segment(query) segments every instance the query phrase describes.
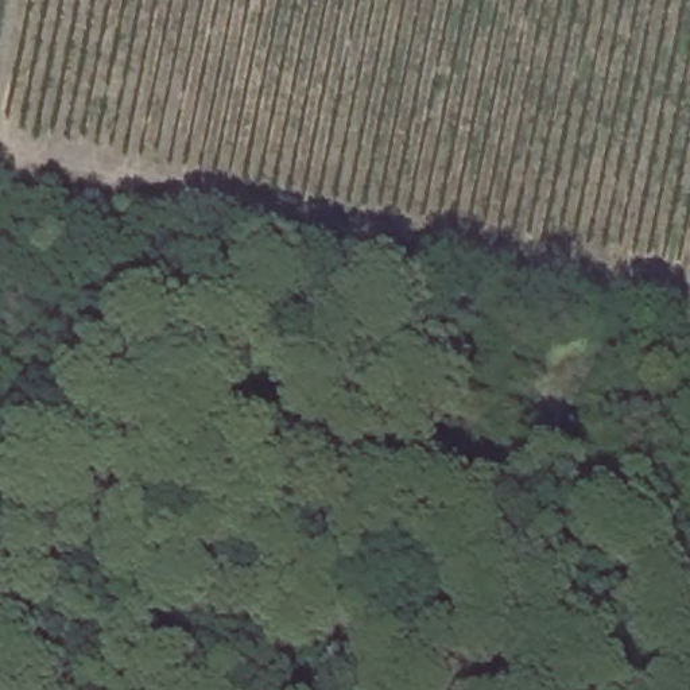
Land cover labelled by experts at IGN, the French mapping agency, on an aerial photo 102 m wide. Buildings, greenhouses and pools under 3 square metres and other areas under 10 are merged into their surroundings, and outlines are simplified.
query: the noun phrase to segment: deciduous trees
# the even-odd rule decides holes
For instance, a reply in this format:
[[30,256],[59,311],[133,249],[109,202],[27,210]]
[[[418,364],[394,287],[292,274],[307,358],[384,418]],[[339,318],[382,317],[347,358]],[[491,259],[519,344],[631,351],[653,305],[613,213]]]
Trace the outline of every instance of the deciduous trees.
[[628,474],[628,482],[615,480],[615,488],[625,493],[631,501],[641,501],[650,509],[660,509],[666,504],[674,534],[685,531],[690,542],[690,356],[674,358],[668,350],[658,348],[644,358],[636,380],[652,394],[652,402],[663,402],[660,420],[650,426],[650,442],[655,445],[655,456],[650,458],[652,469],[647,474]]
[[593,353],[598,350],[604,337],[615,334],[625,334],[625,342],[639,348],[650,340],[668,340],[679,348],[690,337],[690,302],[679,299],[677,288],[655,283],[612,283],[606,288],[598,288],[569,264],[542,264],[536,270],[520,270],[512,264],[515,259],[507,253],[482,253],[477,248],[456,245],[447,240],[434,240],[431,245],[420,248],[415,259],[423,264],[426,280],[420,286],[426,294],[429,313],[458,321],[458,326],[474,337],[477,361],[472,361],[472,377],[488,383],[501,396],[523,391],[526,377],[520,364],[515,364],[512,353],[547,358],[555,345],[571,340],[585,340],[588,353]]

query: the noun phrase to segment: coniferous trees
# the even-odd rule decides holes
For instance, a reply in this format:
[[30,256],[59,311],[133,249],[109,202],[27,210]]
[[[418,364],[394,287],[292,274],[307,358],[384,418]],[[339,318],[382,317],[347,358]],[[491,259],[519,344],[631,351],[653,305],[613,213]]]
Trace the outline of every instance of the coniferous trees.
[[353,237],[334,237],[334,232],[329,229],[286,221],[278,213],[264,213],[261,208],[240,208],[229,197],[202,191],[178,199],[113,197],[94,205],[84,199],[67,199],[59,181],[51,175],[46,175],[32,189],[11,183],[24,167],[16,167],[13,156],[0,143],[0,690],[690,690],[690,542],[685,531],[674,534],[666,504],[660,509],[650,509],[641,501],[631,501],[625,493],[615,488],[615,480],[628,482],[628,474],[647,474],[652,469],[650,458],[655,456],[655,445],[650,442],[650,426],[660,420],[663,402],[652,402],[652,394],[636,380],[644,358],[658,348],[668,350],[674,358],[690,356],[690,337],[679,348],[668,340],[650,340],[639,348],[625,342],[625,334],[615,334],[604,337],[598,350],[593,353],[588,353],[585,340],[571,340],[555,345],[547,358],[512,353],[515,364],[520,364],[526,377],[523,391],[501,396],[488,383],[472,377],[472,361],[477,361],[474,337],[458,326],[458,321],[429,313],[426,294],[420,286],[426,280],[423,264],[415,259],[420,248],[407,234],[380,234],[369,237],[367,243],[358,243]]

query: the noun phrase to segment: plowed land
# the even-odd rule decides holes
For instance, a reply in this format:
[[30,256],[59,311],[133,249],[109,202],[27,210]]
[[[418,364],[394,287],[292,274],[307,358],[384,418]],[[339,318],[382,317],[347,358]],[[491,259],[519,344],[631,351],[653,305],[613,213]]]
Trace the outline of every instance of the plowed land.
[[0,0],[0,143],[13,156],[16,167],[24,167],[11,183],[32,189],[46,175],[51,175],[59,181],[67,199],[84,199],[94,205],[113,197],[178,199],[202,191],[229,197],[240,208],[261,208],[264,213],[278,213],[286,221],[329,229],[334,232],[334,237],[353,237],[358,243],[367,243],[369,237],[380,234],[407,234],[420,248],[431,245],[434,240],[447,240],[456,245],[477,248],[482,253],[507,253],[515,259],[512,264],[520,270],[536,270],[542,264],[569,264],[598,288],[606,288],[612,283],[655,283],[677,288],[679,299],[690,302],[690,283],[685,280],[685,270],[666,264],[663,259],[633,259],[620,261],[617,267],[593,261],[582,251],[579,234],[569,232],[544,232],[539,240],[523,243],[509,229],[482,229],[477,218],[458,216],[450,210],[434,213],[426,226],[412,229],[412,224],[404,216],[388,208],[377,213],[345,210],[342,205],[329,199],[305,199],[296,191],[256,186],[224,173],[189,173],[186,164],[167,162],[167,146],[159,143],[159,148],[154,148],[154,140],[146,140],[143,154],[121,154],[111,143],[92,143],[84,135],[65,137],[57,129],[32,137],[30,132],[19,129],[19,121],[5,116],[13,51],[24,8],[19,0]]

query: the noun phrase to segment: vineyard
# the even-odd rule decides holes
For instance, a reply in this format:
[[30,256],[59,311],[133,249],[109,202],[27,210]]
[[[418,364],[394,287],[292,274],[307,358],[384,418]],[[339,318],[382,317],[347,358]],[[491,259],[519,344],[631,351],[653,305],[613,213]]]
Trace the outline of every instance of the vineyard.
[[663,259],[666,264],[685,270],[685,280],[690,283],[690,0],[19,0],[24,8],[13,51],[5,116],[19,121],[19,129],[30,132],[32,137],[57,129],[65,137],[84,135],[92,143],[111,143],[121,154],[143,154],[146,140],[154,140],[154,148],[159,148],[159,143],[167,146],[167,162],[186,164],[189,173],[224,173],[256,186],[296,191],[305,199],[329,199],[342,205],[345,210],[377,213],[388,208],[404,216],[412,224],[412,229],[426,226],[434,213],[450,210],[458,216],[477,218],[482,229],[509,229],[523,243],[539,240],[544,232],[569,232],[579,234],[582,251],[593,261],[617,267],[620,261],[633,259]]

